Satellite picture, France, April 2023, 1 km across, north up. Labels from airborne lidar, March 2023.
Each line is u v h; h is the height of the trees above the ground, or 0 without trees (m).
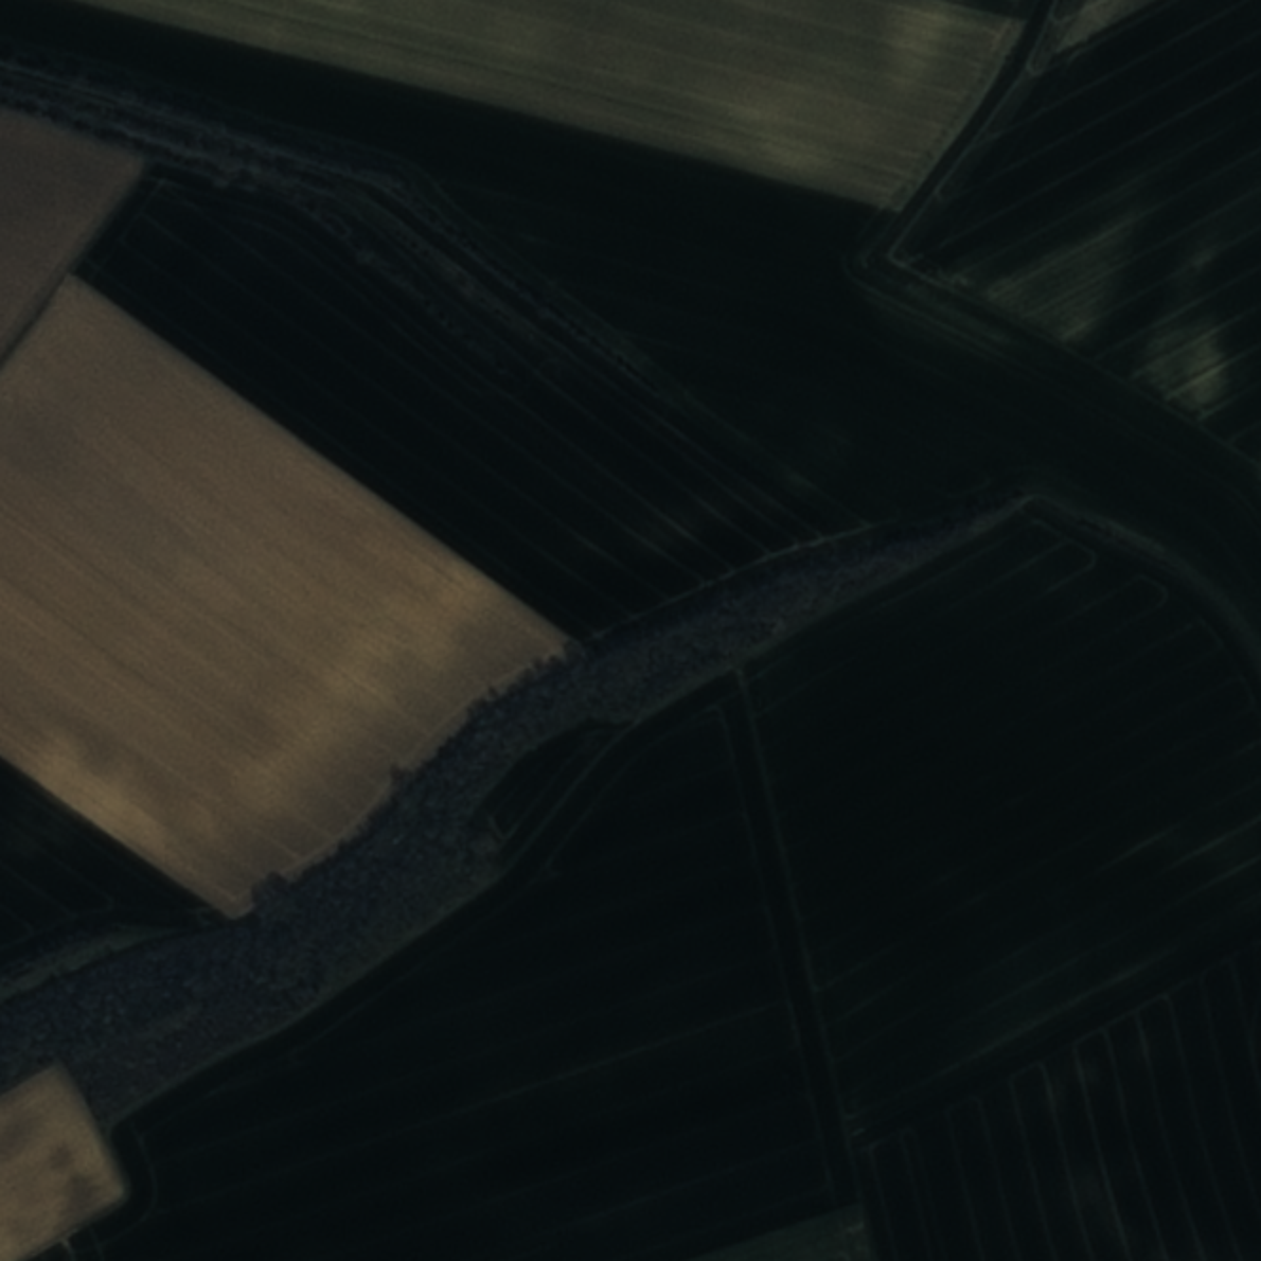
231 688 0
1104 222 0
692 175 0
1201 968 0
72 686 0
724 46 0
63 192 0
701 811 0
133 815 0
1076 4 0
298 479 0
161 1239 0
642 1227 0
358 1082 0
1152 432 0
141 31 0
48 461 0
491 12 0
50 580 0
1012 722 0
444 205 0
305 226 0
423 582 0
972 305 0
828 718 0
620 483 0
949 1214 0
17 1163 0
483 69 0
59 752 0
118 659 0
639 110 0
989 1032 0
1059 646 0
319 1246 0
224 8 0
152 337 0
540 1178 0
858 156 0
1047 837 0
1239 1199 0
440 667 0
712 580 0
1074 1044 0
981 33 0
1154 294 0
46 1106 0
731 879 0
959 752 0
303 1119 0
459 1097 0
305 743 0
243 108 0
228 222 0
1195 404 0
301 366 0
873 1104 0
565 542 0
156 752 0
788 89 0
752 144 0
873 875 0
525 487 0
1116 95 0
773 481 0
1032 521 0
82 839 0
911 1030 0
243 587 0
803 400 0
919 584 0
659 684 13
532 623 0
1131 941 0
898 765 0
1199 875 0
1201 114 0
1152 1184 0
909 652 0
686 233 0
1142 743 0
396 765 0
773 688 0
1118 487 0
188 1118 0
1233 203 0
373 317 0
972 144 0
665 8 0
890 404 0
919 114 0
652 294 0
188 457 0
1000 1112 0
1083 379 0
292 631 0
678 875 0
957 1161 0
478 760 16
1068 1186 0
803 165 0
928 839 0
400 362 0
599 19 0
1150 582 0
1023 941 0
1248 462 0
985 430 0
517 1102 0
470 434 0
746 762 0
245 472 0
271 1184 0
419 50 0
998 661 0
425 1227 0
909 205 0
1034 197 0
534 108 0
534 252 0
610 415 0
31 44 0
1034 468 0
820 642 0
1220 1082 0
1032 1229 0
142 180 0
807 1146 0
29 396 0
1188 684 0
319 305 0
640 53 0
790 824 0
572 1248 0
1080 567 0
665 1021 0
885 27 0
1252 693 0
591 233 0
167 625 0
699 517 0
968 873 0
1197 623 0
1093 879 0
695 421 0
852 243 0
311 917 12
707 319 0
